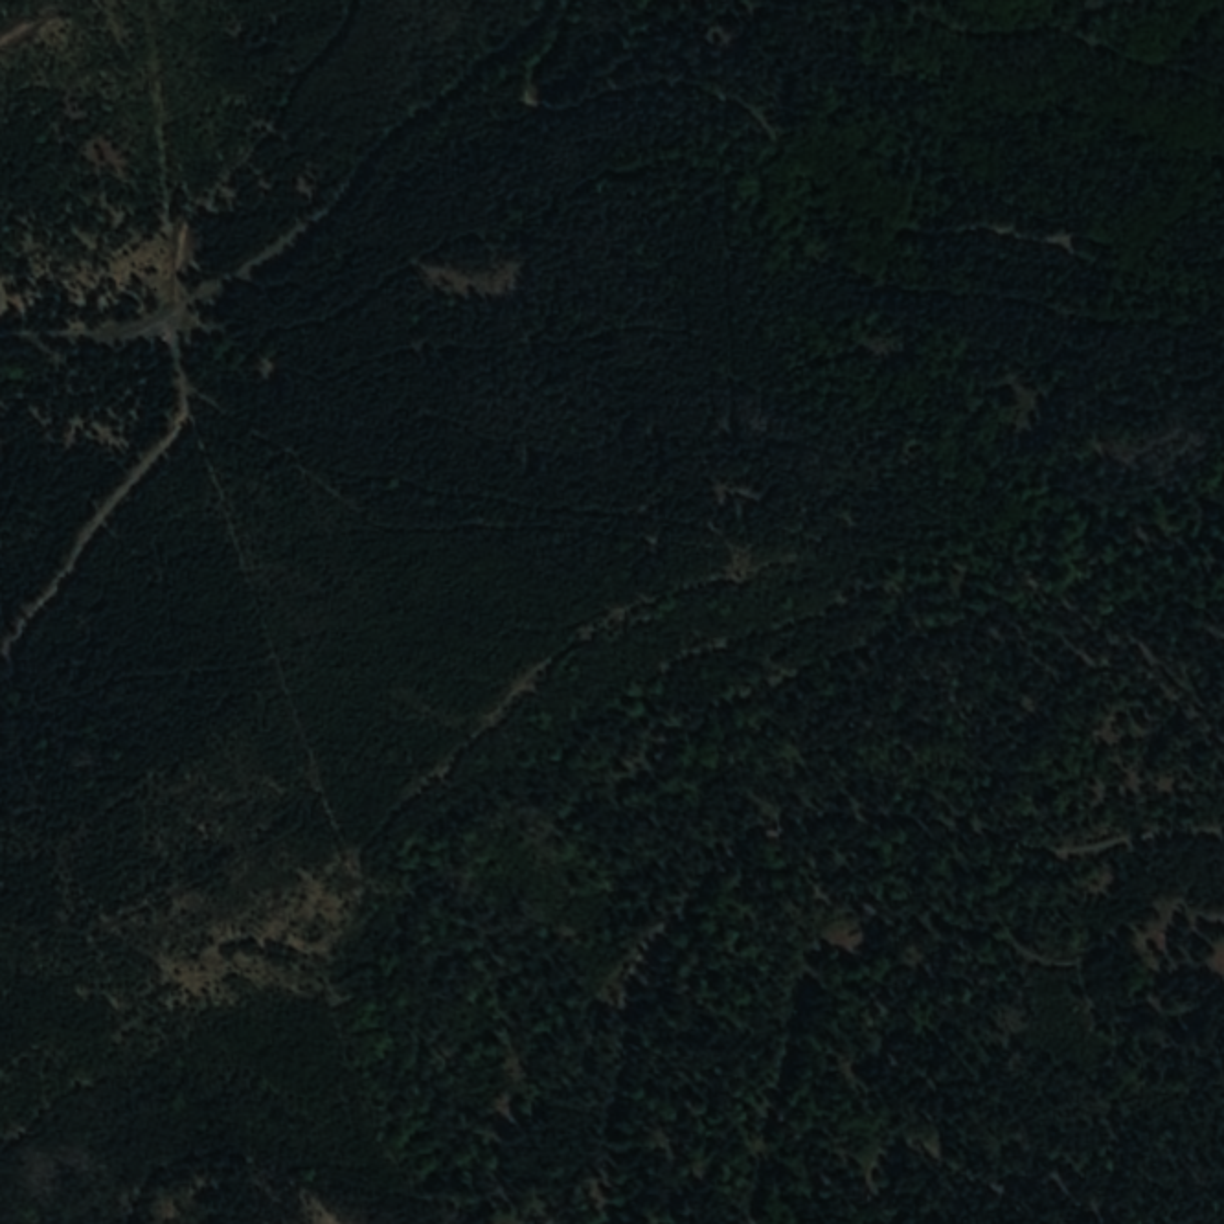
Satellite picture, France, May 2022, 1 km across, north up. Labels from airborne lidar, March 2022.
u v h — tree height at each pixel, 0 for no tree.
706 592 12
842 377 13
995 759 27
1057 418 14
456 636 8
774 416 17
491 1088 7
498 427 20
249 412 13
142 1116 23
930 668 29
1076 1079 24
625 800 35
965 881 31
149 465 0
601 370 13
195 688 11
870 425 10
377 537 8
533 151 17
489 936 12
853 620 24
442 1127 30
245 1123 17
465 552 9
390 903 9
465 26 20
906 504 18
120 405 9
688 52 35
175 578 10
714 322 17
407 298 17
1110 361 24
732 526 11
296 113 15
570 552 11
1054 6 14
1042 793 8
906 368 20
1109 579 9
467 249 17
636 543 9
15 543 9
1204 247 21
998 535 9
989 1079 30
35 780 12
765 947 27
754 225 20
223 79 8
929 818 25
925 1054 28
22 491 12
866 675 7
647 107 20
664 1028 32
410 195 16
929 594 22
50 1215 20
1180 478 24
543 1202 15
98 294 8
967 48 15
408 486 7
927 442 16
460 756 8
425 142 22
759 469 16
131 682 11
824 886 28
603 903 6
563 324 17
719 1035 31
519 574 10
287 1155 12
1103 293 23
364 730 6
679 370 13
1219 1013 21
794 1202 33
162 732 14
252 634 6
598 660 9
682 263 17
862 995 34
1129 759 6
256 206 7
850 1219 27
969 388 15
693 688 12
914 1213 31
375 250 13
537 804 29
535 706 10
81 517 10
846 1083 23
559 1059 14
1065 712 26
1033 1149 13
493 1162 15
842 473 16
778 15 22
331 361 13
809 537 7
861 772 26
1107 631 8
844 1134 24
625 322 19
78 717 14
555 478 17
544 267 23
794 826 27
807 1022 24
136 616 9
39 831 9
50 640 8
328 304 15
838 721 26
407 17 25
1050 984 6
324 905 0
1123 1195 27
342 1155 10
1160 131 20
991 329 24
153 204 7
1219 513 18
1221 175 19
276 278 26
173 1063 9
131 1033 5
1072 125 18
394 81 25
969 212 21
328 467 7
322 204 21
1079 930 7
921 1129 21
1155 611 18
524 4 17
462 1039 7
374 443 18
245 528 7
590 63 40
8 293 9
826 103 17
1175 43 21
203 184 11
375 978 21
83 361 15
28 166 10
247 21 7
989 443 20
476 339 17
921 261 19
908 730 28
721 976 26
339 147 11
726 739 29
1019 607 18
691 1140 31
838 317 13
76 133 9
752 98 15
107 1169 22
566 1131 13
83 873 8
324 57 20
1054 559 28
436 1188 22
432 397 15
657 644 11
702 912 21
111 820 6
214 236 15
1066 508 20
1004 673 28
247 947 9
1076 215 24
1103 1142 25
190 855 7
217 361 18
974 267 20
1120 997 24
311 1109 8
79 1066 8
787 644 12
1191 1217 27
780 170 19
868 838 24
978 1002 30
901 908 23
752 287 16
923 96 17
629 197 22
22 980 9
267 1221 18
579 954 8
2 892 7
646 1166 23
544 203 21
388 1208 16
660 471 15
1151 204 22
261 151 11
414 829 11
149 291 6
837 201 13
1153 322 18
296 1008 8
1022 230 20
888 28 12
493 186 21
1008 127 18
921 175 23
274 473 10
